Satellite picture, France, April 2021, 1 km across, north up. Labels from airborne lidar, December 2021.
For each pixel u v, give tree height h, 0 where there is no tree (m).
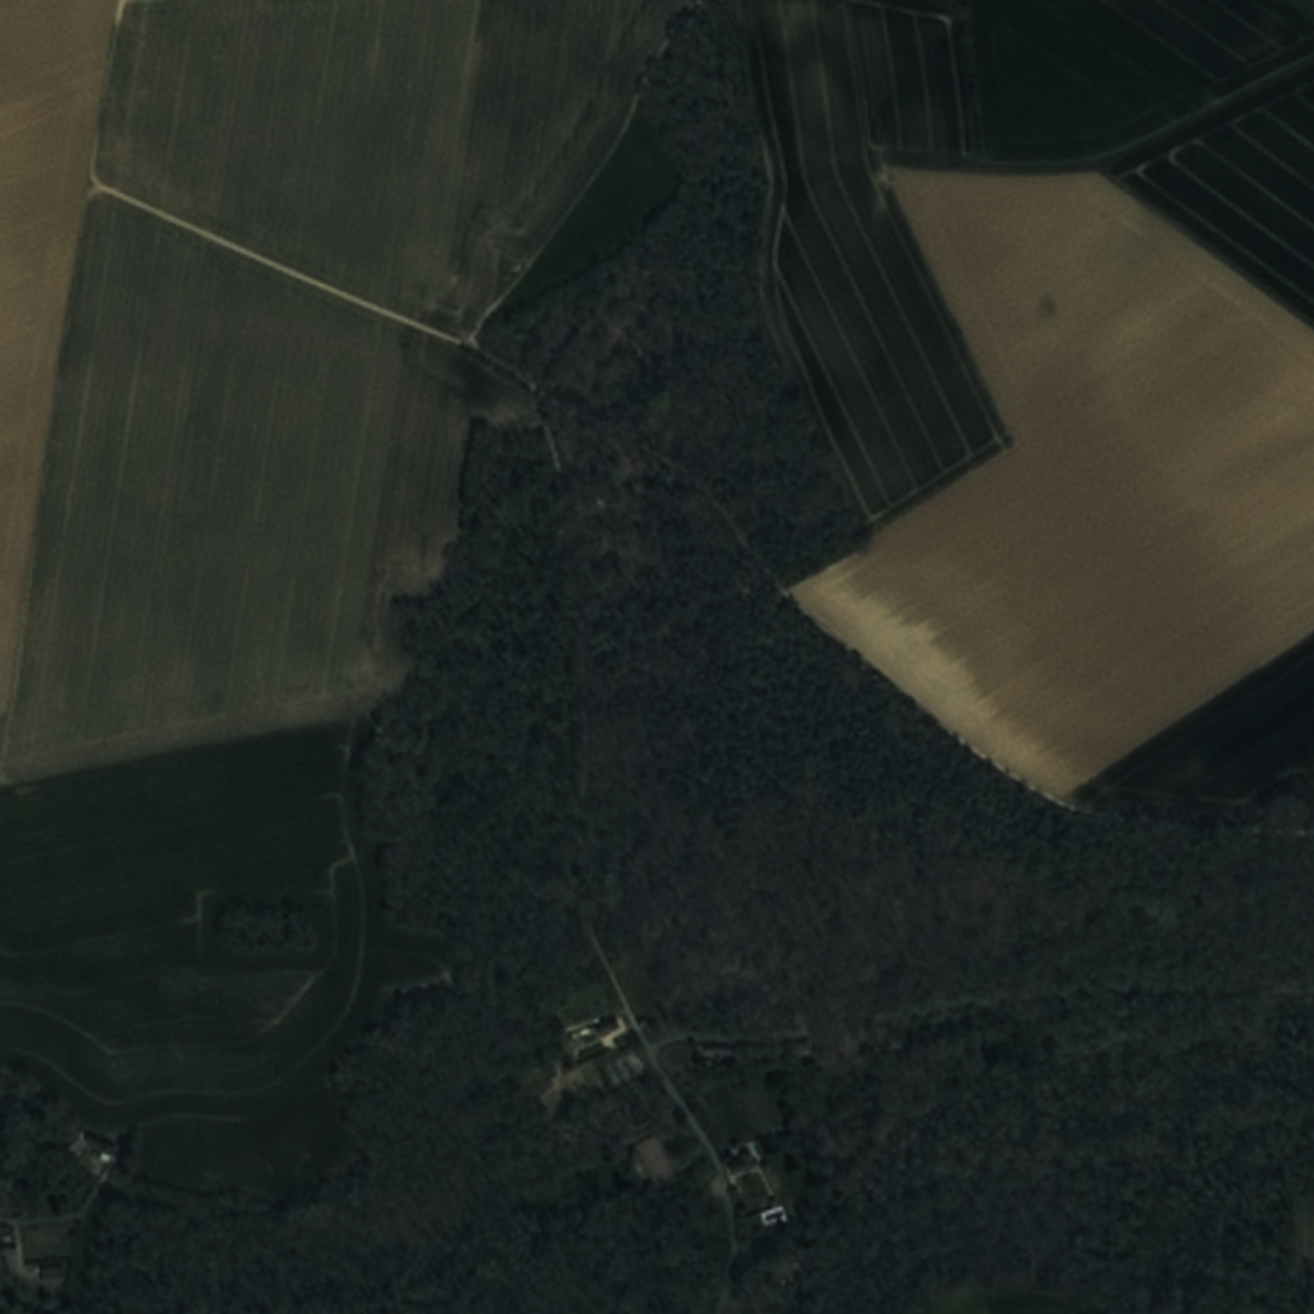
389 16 0
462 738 35
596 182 0
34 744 0
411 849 16
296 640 0
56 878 0
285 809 0
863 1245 32
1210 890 26
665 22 0
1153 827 20
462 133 0
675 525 23
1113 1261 24
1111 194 0
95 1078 0
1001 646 0
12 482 0
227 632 0
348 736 0
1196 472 0
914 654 0
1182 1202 25
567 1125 16
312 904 0
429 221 0
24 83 0
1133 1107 17
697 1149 18
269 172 0
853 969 27
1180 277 0
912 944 21
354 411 0
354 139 0
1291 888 21
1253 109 0
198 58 0
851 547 14
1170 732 0
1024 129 0
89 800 0
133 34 0
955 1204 8
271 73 0
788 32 0
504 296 0
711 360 17
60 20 0
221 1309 25
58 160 0
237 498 0
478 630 25
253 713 0
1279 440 0
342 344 0
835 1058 29
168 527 0
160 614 0
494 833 27
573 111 0
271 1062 0
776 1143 9
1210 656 0
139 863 0
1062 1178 23
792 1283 24
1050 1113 30
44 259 0
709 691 16
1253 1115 31
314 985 0
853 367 0
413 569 0
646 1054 16
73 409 0
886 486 0
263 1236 16
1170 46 0
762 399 20
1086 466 0
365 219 0
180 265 0
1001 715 0
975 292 0
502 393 0
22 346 0
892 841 18
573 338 19
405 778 28
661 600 22
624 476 23
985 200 0
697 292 18
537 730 11
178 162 0
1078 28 0
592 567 15
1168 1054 23
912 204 0
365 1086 8
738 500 22
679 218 13
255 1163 0
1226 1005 34
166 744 0
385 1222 22
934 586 0
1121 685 0
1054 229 0
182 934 0
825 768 18
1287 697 0
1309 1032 19
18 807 0
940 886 24
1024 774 0
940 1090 26
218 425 0
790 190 0
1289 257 0
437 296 0
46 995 0
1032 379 0
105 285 0
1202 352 0
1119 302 0
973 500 0
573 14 0
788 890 23
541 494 20
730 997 16
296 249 0
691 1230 25
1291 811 26
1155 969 26
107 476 0
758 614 16
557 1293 37
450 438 0
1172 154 0
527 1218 30
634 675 18
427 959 0
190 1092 0
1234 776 0
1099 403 0
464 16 0
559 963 34
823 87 0
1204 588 0
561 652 24
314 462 0
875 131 0
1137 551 0
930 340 0
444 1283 35
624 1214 18
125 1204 22
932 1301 17
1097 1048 26
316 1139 0
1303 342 0
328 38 0
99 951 0
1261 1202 33
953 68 0
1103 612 0
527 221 0
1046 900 22
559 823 18
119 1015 0
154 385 0
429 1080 17
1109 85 0
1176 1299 30
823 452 22
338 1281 7
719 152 16
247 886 0
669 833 22
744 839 23
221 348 0
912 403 0
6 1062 0
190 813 0
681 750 18
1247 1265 21
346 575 0
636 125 0
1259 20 0
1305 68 0
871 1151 23
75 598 0
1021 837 13
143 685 0
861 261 0
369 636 0
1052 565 0
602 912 23
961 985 21
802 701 21
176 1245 25
